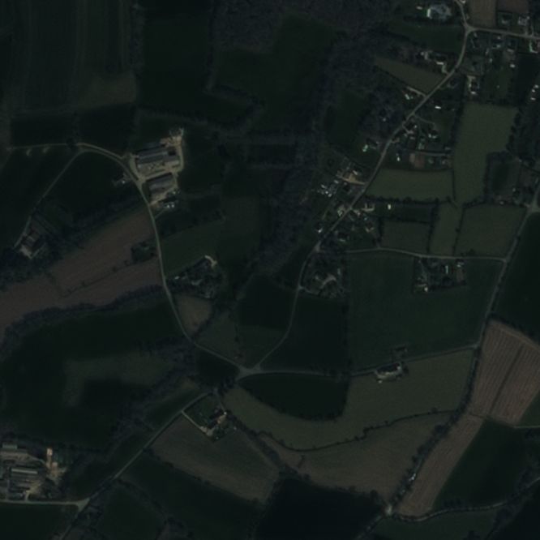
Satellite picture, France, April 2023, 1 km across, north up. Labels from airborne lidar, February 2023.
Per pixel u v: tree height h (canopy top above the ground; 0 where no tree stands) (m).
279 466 17
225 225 0
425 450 10
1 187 0
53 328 0
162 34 0
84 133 0
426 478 0
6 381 0
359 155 0
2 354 17
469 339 0
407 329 0
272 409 9
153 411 0
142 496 17
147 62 0
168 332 0
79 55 0
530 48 0
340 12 21
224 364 0
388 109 18
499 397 0
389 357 0
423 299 0
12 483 0
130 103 0
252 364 0
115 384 0
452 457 0
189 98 0
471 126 0
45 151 0
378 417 0
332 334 0
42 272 14
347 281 10
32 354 0
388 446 0
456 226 0
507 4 0
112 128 0
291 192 13
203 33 0
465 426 0
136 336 0
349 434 0
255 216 0
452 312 0
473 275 0
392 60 13
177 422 0
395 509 11
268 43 16
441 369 0
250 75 0
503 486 0
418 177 0
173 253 0
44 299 0
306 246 0
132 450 0
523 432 0
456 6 7
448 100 7
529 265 0
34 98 0
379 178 0
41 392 0
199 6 0
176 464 0
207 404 0
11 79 0
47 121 0
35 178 0
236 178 0
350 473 0
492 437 0
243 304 0
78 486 0
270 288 0
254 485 0
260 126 0
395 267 0
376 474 0
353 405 0
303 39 0
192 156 0
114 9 0
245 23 19
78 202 0
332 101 30
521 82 0
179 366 15
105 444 0
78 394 0
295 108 0
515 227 0
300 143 15
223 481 0
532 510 0
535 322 0
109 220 25
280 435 0
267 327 0
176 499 0
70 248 31
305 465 0
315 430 0
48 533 0
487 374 0
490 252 0
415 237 0
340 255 13
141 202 23
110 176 0
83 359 0
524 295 0
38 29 0
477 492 0
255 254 14
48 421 0
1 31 0
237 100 17
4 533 0
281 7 20
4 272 17
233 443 0
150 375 0
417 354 0
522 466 0
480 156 0
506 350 0
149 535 0
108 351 0
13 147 0
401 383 0
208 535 0
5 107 0
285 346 0
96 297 0
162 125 0
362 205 0
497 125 0
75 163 0
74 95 0
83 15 0
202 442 0
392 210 0
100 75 0
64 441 0
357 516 0
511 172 0
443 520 0
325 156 0
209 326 15
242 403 0
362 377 0
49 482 9
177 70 0
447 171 0
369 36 18
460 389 0
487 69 10
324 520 0
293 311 0
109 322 0
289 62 0
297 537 0
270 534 0
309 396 0
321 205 0
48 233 19
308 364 0
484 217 0
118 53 0
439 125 0
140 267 0
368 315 0
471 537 14
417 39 0
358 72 14
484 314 0
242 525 0
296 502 0
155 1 0
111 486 11
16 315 0
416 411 0
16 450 0
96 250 0
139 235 0
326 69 17
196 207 0
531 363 0
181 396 0
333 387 0
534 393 0
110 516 0
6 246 0
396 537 0
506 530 0
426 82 0
